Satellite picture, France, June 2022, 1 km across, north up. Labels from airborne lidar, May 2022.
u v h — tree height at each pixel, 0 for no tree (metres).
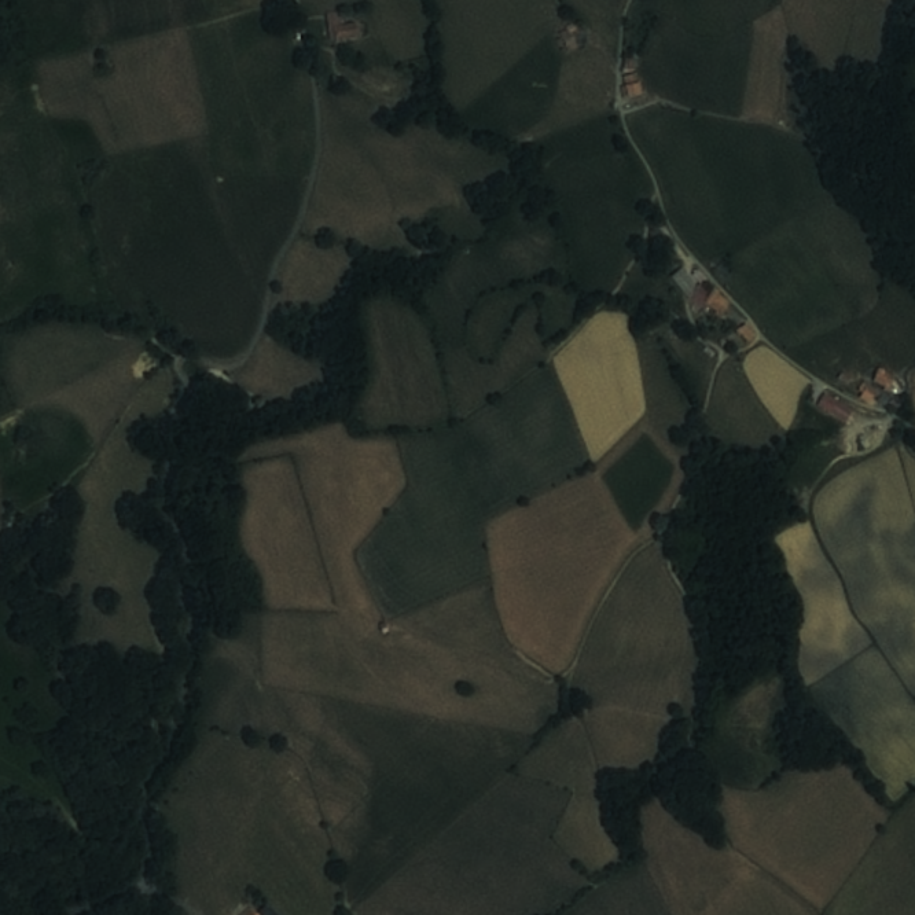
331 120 0
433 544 0
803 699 17
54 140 0
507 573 0
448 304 0
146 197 0
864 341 0
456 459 0
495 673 0
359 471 0
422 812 0
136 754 18
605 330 0
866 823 0
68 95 0
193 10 0
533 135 0
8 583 17
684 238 0
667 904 0
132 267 0
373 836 0
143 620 0
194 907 0
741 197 0
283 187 0
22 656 0
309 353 10
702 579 11
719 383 0
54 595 11
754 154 0
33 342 0
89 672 24
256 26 0
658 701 0
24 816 21
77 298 0
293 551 0
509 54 0
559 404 0
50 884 14
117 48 0
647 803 10
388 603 0
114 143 0
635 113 0
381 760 0
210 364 0
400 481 0
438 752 0
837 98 19
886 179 23
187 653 30
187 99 0
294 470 0
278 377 0
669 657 0
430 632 0
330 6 0
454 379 0
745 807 0
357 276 20
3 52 8
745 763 0
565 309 0
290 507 0
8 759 0
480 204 21
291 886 0
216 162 0
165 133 0
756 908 0
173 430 26
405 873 0
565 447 0
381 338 0
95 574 0
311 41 20
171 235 0
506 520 0
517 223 0
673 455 0
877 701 0
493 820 0
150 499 20
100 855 20
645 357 0
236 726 0
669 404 0
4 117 0
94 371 0
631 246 12
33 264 0
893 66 12
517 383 0
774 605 21
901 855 0
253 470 0
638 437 0
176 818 0
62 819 14
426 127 23
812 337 0
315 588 0
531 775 0
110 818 24
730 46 0
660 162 0
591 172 0
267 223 0
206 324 0
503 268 0
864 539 0
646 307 14
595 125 0
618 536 0
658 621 0
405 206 0
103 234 0
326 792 0
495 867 0
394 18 0
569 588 0
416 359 0
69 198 0
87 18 0
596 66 0
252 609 6
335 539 0
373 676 0
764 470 16
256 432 9
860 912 0
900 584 0
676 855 0
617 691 0
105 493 0
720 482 15
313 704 0
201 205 0
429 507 0
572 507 0
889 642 0
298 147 0
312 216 0
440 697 0
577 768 0
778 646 23
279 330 19
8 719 0
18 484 0
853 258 0
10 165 0
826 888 0
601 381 0
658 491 0
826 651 0
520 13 0
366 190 0
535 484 0
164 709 24
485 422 0
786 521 13
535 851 0
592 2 0
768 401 0
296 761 0
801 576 0
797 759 20
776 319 0
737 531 14
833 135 19
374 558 0
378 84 0
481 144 21
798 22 0
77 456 0
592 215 0
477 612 0
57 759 8
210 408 26
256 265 0
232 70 0
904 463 0
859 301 0
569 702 9
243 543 0
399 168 0
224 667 0
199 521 22
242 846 0
